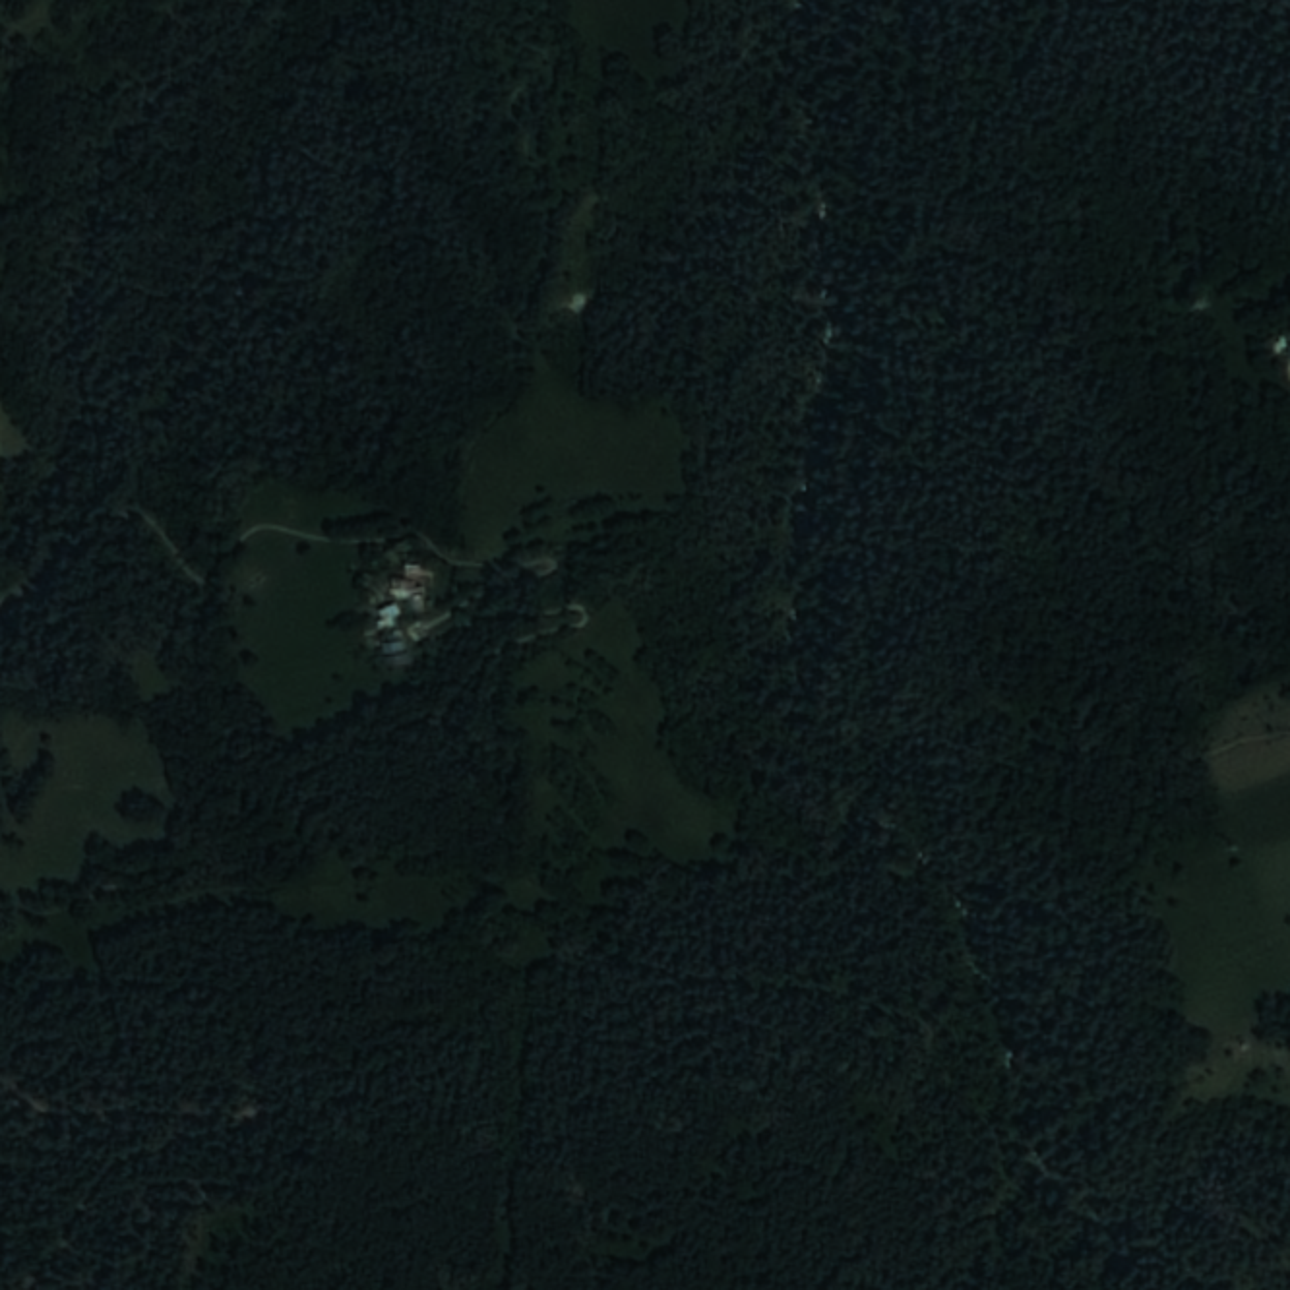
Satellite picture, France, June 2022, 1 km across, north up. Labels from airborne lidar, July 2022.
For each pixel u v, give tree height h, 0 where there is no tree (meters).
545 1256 21
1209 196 22
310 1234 25
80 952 0
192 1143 19
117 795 0
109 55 21
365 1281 21
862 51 11
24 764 0
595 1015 22
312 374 29
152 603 28
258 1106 6
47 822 0
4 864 0
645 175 16
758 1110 21
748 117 30
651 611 19
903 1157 11
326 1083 22
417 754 24
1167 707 28
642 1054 27
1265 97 17
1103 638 23
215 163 25
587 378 18
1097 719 23
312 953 23
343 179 21
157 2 18
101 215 33
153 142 17
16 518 6
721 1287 18
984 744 25
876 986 22
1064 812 16
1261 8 6
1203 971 0
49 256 8
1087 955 32
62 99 26
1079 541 26
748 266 31
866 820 12
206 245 28
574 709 9
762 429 22
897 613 20
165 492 20
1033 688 20
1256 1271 7
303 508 0
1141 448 22
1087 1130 8
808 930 13
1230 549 19
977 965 6
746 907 26
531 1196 18
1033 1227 11
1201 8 21
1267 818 0
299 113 26
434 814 25
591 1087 30
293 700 0
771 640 13
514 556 11
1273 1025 19
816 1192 24
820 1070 14
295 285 33
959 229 19
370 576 6
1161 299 7
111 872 22
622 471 0
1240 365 0
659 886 24
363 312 9
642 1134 26
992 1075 8
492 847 26
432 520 22
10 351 22
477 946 21
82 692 27
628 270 21
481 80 22
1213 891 0
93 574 28
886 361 27
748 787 21
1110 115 23
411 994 25
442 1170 25
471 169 23
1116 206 15
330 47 21
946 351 7
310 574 0
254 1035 27
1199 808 22
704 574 19
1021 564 14
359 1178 21
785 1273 23
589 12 0
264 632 0
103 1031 32
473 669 12
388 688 0
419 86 23
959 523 21
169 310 26
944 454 14
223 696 25
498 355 21
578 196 7
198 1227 9
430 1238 20
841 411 10
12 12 14
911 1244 23
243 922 18
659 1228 20
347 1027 25
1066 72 21
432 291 34
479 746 26
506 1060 19
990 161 15
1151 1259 29
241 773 21
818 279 8
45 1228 16
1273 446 25
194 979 22
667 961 35
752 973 32
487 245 13
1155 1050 26
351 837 19
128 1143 22
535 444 0
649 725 0
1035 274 36
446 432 17
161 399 16
